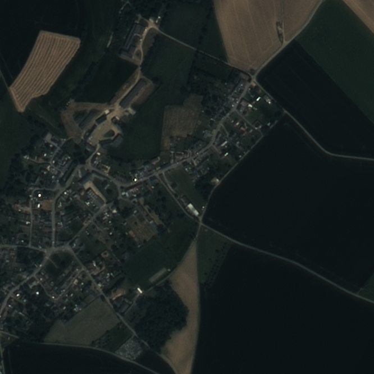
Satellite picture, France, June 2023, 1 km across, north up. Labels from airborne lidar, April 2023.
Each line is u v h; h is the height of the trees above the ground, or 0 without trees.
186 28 0
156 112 0
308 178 0
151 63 0
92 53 0
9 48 0
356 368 0
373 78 0
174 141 0
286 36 0
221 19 0
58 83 0
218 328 0
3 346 0
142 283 0
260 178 0
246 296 0
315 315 0
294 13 0
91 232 0
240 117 0
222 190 0
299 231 0
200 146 0
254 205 0
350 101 0
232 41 0
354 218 0
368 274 0
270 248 0
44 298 0
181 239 0
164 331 27
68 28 0
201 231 0
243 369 0
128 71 0
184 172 0
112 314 0
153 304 31
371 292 0
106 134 0
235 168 0
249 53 0
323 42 0
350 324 0
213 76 10
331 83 0
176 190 0
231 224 0
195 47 0
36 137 15
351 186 0
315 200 0
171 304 17
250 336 0
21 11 0
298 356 0
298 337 0
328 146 0
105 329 0
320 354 0
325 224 0
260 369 0
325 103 0
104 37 0
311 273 0
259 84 0
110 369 0
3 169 0
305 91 0
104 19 0
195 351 0
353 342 0
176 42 0
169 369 0
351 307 0
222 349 0
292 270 0
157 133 0
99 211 0
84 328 0
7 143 0
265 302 0
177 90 0
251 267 0
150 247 0
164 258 0
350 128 0
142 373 0
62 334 0
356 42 0
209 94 7
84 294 0
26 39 0
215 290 0
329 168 0
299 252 0
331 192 0
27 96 0
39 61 0
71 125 0
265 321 0
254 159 0
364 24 0
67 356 0
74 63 0
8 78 0
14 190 9
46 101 0
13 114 0
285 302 0
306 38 0
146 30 0
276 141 0
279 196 0
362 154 0
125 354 0
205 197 9
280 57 0
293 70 0
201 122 0
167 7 12
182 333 0
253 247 0
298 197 0
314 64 0
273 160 0
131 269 0
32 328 0
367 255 0
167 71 0
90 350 0
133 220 0
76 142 0
